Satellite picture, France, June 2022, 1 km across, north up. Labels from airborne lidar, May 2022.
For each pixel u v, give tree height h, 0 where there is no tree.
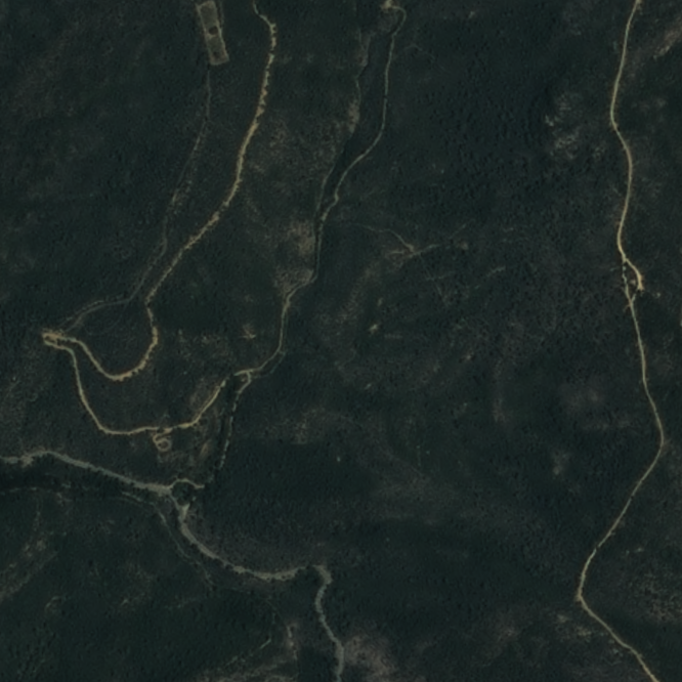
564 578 6
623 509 6
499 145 9
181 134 6
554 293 7
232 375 10
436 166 0
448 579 10
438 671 6
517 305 9
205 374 8
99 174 0
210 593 9
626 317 7
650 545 6
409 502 0
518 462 8
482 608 6
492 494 7
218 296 10
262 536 8
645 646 6
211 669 7
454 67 0
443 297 9
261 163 0
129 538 7
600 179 6
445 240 7
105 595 9
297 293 0
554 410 6
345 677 5
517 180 7
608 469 7
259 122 6
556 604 0
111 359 11
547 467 9
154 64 0
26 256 0
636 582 6
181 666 8
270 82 6
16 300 7
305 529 9
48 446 6
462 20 7
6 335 9
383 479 6
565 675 7
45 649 10
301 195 7
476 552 6
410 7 8
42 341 7
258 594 11
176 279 6
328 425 0
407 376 7
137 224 7
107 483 6
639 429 6
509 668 6
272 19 8
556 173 9
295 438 6
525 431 6
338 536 13
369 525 8
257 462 7
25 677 11
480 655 7
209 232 6
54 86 8
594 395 0
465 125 10
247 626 13
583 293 6
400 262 0
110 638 6
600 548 6
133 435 6
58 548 10
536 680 6
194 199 6
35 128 8
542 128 7
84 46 5
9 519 8
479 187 9
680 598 9
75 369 8
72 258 0
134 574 6
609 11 0
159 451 0
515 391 0
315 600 9
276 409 6
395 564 5
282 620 7
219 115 6
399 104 0
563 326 9
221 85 6
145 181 7
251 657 6
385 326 9
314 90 7
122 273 7
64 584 6
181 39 0
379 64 0
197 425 6
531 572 8
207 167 7
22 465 9
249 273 9
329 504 6
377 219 0
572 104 0
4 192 8
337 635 6
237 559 7
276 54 10
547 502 6
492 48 8
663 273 6
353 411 6
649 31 7
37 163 6
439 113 7
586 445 8
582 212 7
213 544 6
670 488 6
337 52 9
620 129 8
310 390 6
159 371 10
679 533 0
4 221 7
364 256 0
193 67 0
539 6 9
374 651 0
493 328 7
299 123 0
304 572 11
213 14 0
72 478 6
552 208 6
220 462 9
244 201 6
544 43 6
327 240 8
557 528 6
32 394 6
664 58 6
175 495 10
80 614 5
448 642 7
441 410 7
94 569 7
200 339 6
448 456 0
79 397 7
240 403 6
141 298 6
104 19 7
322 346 9
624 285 8
